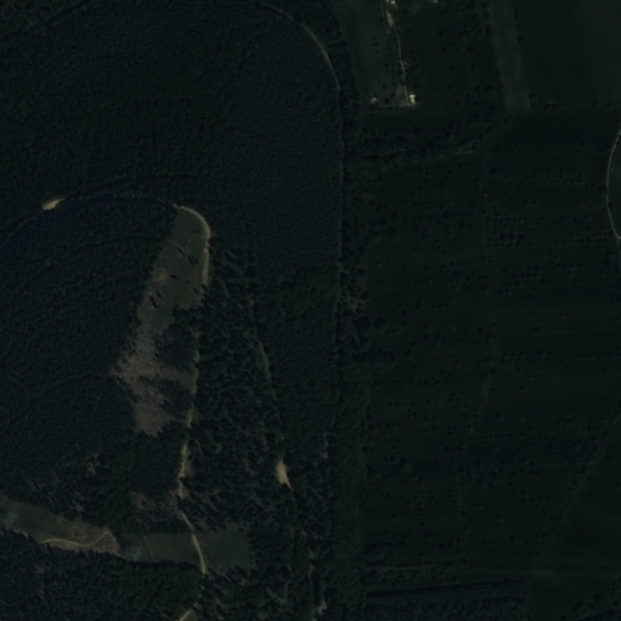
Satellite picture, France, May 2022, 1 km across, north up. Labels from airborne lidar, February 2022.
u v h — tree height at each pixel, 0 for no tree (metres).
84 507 13
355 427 22
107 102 20
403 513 0
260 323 11
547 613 0
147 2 22
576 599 0
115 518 22
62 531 0
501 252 0
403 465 14
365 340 24
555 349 0
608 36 0
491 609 30
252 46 18
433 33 0
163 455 20
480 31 7
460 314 0
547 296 0
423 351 0
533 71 0
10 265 27
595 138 0
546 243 0
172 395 22
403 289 0
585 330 0
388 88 7
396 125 0
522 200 0
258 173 23
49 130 20
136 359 0
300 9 10
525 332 0
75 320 19
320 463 8
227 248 18
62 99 15
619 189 0
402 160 14
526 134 0
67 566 6
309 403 19
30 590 7
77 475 10
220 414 28
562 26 0
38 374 20
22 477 19
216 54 23
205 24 20
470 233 0
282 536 11
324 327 17
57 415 18
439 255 0
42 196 16
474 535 0
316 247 23
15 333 20
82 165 16
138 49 17
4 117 16
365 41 0
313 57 13
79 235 23
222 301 31
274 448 20
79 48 18
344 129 27
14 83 20
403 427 0
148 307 0
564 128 0
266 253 21
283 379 23
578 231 0
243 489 35
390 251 0
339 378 20
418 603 18
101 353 20
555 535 0
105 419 19
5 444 22
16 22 9
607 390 0
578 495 0
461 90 0
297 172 21
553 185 0
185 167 22
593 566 0
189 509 31
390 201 0
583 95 0
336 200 27
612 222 0
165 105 23
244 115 17
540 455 0
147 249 21
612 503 0
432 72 0
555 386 0
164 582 23
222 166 22
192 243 0
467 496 0
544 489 0
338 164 19
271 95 18
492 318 0
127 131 20
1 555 14
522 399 0
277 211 24
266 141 24
